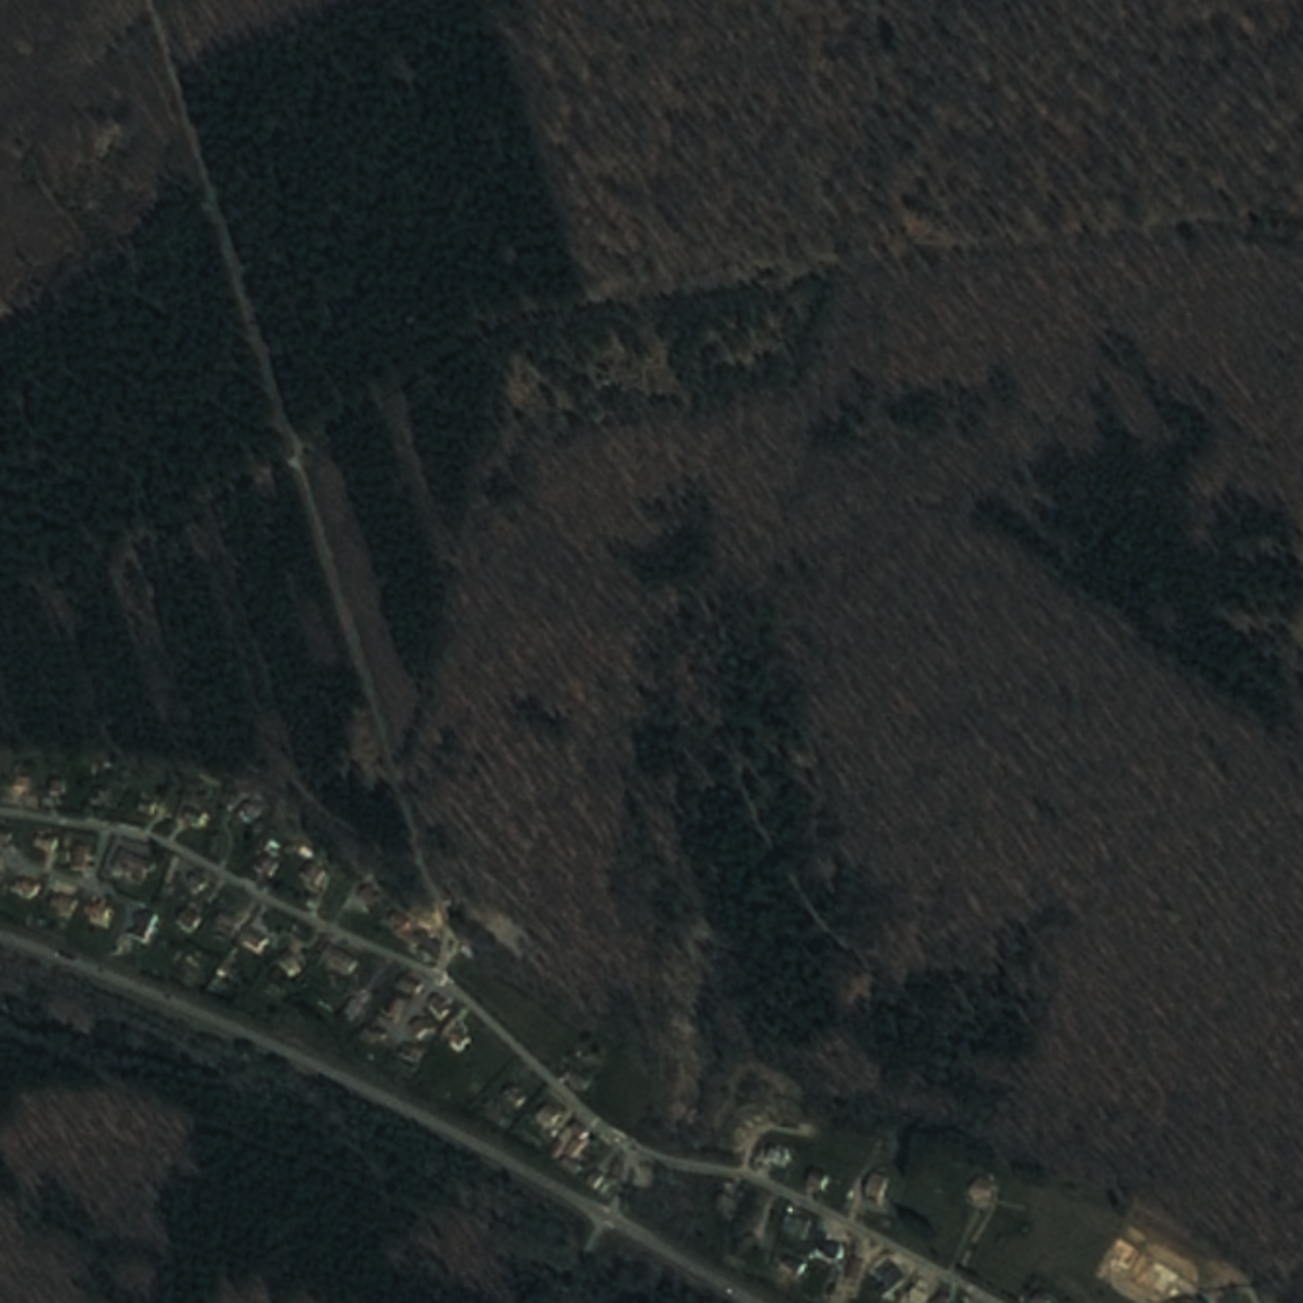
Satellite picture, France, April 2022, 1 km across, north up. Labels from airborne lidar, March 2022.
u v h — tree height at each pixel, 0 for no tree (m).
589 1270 20
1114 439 18
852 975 20
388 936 0
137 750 25
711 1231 0
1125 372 27
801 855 12
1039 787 24
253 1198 27
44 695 26
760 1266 0
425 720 16
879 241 31
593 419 17
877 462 22
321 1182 25
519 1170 0
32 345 35
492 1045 0
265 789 14
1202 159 26
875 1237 0
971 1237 0
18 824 0
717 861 27
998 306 0
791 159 32
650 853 17
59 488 31
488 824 26
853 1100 26
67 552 30
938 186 30
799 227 25
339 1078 0
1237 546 21
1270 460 23
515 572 27
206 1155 27
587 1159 6
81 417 29
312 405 33
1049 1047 21
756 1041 25
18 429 32
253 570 19
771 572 25
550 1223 13
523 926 25
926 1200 0
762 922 24
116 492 32
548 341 17
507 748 25
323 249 34
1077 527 29
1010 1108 25
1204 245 22
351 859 17
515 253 27
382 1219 29
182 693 19
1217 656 31
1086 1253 0
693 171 27
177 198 23
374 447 29
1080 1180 24
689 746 33
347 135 34
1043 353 0
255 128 32
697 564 29
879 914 23
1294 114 29
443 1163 23
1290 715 28
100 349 27
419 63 25
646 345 15
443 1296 31
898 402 19
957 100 32
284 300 29
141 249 16
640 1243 0
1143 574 28
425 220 32
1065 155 26
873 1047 21
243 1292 32
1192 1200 27
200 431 34
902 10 26
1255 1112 25
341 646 20
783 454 0
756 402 16
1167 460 22
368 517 27
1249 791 0
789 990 27
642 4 26
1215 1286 0
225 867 0
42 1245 28
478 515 23
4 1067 27
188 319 28
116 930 0
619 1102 0
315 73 34
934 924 23
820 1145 0
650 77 30
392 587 25
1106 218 26
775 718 25
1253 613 26
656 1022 18
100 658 27
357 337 27
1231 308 0
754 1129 0
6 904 0
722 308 17
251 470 33
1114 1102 21
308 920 0
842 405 0
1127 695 23
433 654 21
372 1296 27
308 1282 28
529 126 32
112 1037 14
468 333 35
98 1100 24
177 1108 31
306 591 18
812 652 23
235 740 25
